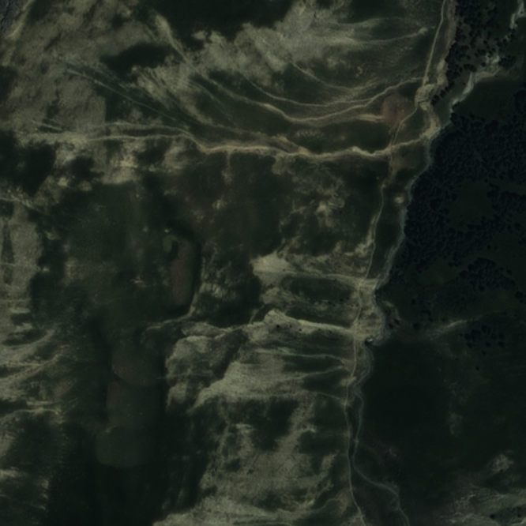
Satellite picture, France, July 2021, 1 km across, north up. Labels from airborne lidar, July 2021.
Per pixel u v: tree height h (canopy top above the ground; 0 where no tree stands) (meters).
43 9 0
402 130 0
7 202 0
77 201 0
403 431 0
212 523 0
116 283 0
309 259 0
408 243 0
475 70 12
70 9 0
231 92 0
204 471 0
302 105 0
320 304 0
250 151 0
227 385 0
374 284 0
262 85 0
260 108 0
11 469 0
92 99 0
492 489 0
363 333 0
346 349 0
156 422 0
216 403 0
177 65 0
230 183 0
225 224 0
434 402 0
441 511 0
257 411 0
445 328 0
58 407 0
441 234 18
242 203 0
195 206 0
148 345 0
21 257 0
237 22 0
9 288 0
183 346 0
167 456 0
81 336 0
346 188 0
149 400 0
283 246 0
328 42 0
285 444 0
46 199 0
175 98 0
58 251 0
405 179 0
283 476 0
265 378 0
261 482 0
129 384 0
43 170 0
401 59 0
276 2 0
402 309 0
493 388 0
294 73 0
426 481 0
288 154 0
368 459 0
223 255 0
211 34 0
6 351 0
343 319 0
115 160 0
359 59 0
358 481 0
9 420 0
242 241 0
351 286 0
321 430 0
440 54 0
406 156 0
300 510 0
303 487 0
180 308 0
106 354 0
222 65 0
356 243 0
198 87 0
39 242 0
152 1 0
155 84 0
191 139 0
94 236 0
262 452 0
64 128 0
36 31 0
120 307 0
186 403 0
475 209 0
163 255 0
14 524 0
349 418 0
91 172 0
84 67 0
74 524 0
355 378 0
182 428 0
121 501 0
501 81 0
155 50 0
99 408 0
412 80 0
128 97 0
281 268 0
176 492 0
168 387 0
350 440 0
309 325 0
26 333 0
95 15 0
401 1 0
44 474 0
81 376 0
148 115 0
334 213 0
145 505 0
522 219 0
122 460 0
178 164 0
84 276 0
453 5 0
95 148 0
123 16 0
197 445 0
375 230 0
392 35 0
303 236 0
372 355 0
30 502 0
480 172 15
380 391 0
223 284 0
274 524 0
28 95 0
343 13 0
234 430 0
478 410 0
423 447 0
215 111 0
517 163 18
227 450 0
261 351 0
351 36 0
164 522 0
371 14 0
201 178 0
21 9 0
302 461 0
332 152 0
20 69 0
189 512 0
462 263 14
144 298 0
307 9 0
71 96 0
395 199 0
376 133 0
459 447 0
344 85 0
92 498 0
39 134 0
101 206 0
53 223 0
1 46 0
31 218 0
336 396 0
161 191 0
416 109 0
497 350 0
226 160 0
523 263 0
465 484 0
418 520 0
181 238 0
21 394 0
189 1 0
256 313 0
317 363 0
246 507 0
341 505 0
